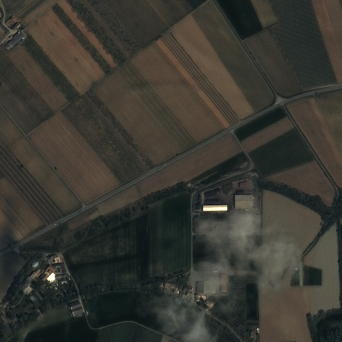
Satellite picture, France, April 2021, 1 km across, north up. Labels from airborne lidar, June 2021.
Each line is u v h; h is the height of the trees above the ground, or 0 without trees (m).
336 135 0
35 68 0
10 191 0
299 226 0
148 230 0
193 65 0
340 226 0
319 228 0
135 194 0
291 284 0
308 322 11
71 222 0
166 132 0
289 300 0
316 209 8
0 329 22
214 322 10
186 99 0
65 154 0
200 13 0
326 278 0
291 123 0
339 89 0
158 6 0
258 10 0
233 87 0
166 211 0
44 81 0
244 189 0
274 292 0
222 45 0
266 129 0
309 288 0
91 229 6
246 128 0
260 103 0
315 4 0
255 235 0
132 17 0
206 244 0
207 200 0
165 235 0
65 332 0
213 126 0
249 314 0
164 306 0
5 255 0
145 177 0
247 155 0
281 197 0
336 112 0
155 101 0
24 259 9
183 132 0
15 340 0
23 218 0
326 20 0
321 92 0
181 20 0
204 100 0
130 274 0
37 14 0
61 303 10
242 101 0
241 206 0
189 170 0
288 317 0
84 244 0
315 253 0
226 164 0
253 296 0
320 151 0
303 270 0
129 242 0
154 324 0
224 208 0
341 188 8
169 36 0
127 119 0
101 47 0
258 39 0
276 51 0
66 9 0
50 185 0
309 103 0
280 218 0
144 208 13
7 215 0
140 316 0
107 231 0
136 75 0
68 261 0
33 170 0
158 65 0
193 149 0
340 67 0
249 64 0
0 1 0
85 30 0
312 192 0
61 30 0
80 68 0
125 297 0
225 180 0
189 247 0
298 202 8
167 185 0
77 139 0
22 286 0
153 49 0
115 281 0
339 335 26
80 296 11
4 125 0
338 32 0
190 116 0
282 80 0
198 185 10
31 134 0
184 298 0
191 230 0
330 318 0
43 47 0
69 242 0
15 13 0
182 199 0
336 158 0
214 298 0
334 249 0
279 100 0
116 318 0
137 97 0
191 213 0
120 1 0
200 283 0
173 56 0
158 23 0
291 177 0
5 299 11
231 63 0
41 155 0
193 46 0
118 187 0
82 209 0
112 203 0
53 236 0
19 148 0
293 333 0
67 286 12
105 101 0
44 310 23
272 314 0
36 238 0
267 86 0
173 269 0
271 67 0
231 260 0
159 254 0
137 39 0
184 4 0
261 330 0
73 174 0
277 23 0
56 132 0
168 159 0
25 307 11
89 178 0
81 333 0
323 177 0
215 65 0
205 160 0
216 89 0
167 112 0
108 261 0
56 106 0
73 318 0
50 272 0
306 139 0
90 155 0
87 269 0
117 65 0
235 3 0
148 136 0
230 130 0
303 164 0
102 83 0
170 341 0
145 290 9
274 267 0
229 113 0
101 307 0
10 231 0
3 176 0
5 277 0
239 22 0
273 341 0
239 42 0
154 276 0
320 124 0
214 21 0
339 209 22
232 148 0
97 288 20
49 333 0
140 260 0
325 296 0
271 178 0
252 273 0
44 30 0
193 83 0
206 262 0
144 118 0
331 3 0
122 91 0
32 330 0
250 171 0
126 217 19
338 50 0
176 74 0
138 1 0
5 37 0
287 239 0
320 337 0
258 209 0
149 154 0
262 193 0
